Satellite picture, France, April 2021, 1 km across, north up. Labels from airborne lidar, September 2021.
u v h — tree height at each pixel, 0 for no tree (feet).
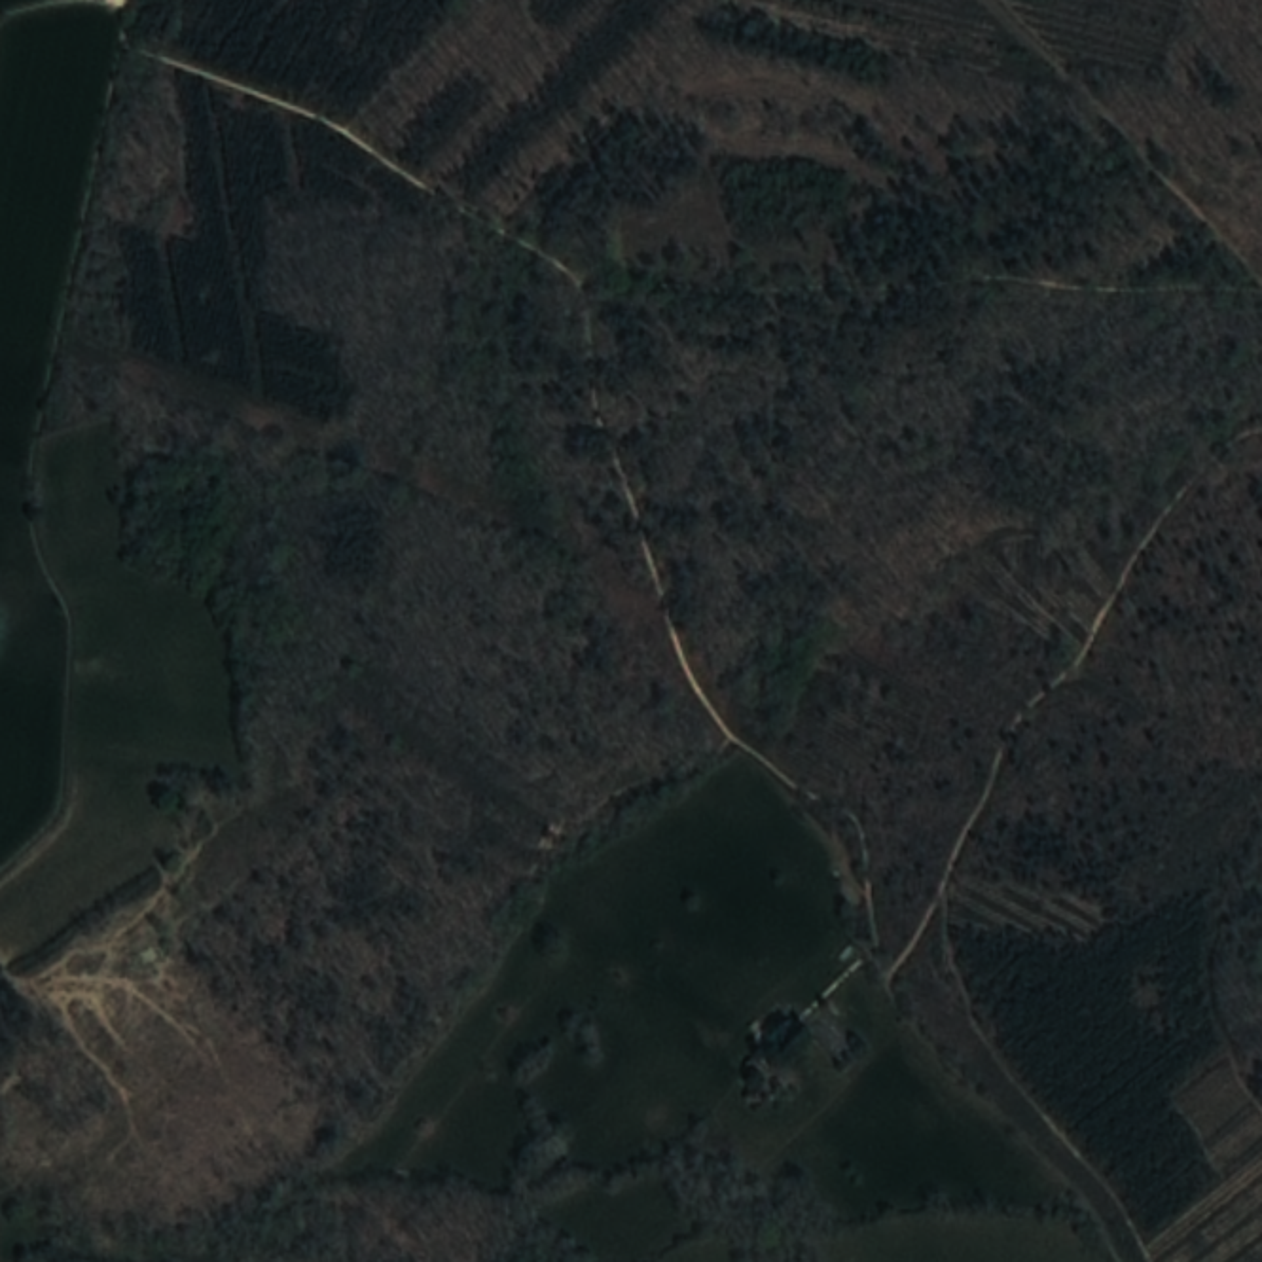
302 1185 72
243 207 35
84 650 0
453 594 63
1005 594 52
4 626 0
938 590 77
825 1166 0
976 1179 0
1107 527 67
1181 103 80
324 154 26
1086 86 69
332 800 64
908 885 19
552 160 72
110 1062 0
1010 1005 37
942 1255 0
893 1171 0
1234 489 32
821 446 76
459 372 55
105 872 0
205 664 0
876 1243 0
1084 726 19
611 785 23
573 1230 0
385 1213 79
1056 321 53
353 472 54
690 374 46
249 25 35
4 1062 70
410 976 59
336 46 27
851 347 59
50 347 0
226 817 0
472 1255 77
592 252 84
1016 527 79
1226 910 34
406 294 54
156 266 40
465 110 52
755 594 70
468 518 50
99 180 38
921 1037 40
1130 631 19
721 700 21
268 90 27
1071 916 0
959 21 0
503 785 38
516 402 45
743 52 70
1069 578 73
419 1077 0
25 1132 0
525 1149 51
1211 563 33
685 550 21
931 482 53
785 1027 60
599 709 56
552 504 71
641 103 78
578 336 70
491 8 81
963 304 62
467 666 78
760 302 51
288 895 70
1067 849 25
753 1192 56
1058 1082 39
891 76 79
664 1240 0
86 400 47
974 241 69
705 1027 0
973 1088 32
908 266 79
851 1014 0
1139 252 61
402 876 51
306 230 46
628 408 36
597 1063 49
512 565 48
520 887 47
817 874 0
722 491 78
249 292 32
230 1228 80
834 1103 0
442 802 46
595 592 21
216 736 0
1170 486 24
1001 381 47
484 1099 0
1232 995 59
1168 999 35
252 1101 0
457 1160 0
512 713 70
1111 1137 38
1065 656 52
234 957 65
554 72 71
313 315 53
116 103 39
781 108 38
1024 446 77
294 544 67
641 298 67
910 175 51
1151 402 75
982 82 65
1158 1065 41
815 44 24
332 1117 53
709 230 0
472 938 55
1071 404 63
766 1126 0
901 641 62
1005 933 18
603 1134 0
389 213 41
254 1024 42
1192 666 28
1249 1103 0
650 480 80
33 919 0
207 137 37
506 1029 0
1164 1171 28
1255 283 33
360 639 59
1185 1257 0
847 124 40
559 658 64
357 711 35
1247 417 41
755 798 0
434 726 48
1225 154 81
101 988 0
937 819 26
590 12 76
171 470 68
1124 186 77
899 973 18
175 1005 0
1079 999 40
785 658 61
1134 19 28
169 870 71
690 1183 37
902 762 43
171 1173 0
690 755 68
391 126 71
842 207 44
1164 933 37
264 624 85
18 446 0
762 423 25
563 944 65
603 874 0
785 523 99
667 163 52
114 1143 0
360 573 77
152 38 29
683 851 0
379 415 46
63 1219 72
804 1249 45
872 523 72
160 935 62
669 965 0
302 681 78
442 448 52
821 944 0
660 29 73
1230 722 52
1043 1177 0
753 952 0
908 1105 0
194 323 35
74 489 0
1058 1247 0
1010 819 22
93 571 0
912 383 29
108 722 0
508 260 59
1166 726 44
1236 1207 0
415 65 65
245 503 73
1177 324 44
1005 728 23
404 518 57
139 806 0
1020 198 68
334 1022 54
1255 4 77
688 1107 0
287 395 29
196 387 0
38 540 0
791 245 32
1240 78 84
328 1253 75
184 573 51
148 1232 64
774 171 40
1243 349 50
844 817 40
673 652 0
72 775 0
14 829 0
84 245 30
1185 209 53
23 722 0
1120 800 36
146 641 0
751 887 0
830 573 99
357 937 52
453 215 40
